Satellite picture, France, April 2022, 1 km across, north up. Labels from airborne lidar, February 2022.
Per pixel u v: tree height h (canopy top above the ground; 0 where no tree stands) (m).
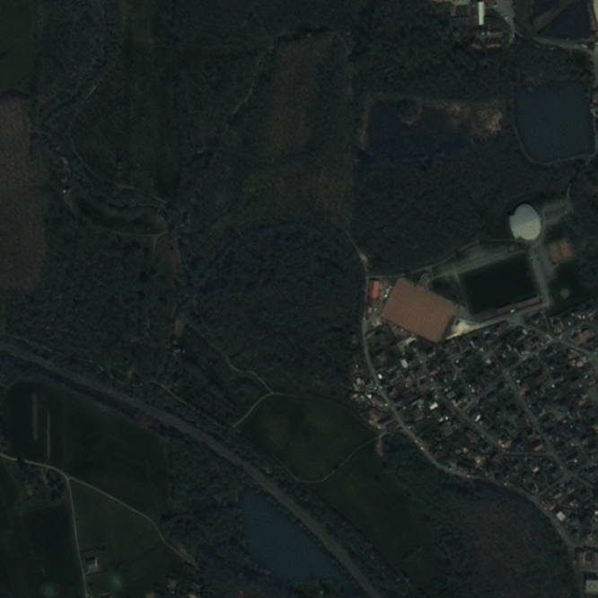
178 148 0
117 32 14
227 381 18
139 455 0
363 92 19
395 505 0
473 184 27
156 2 0
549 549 25
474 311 0
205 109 0
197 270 23
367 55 22
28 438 0
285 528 0
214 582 25
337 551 0
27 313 20
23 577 0
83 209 0
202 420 18
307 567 0
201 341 24
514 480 0
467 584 23
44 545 0
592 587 0
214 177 26
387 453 19
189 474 24
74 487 0
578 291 0
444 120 0
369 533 0
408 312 0
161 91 0
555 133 0
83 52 21
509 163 25
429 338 0
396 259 24
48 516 0
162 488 0
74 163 16
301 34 0
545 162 0
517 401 0
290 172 0
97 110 0
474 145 22
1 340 18
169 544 0
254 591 25
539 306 0
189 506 6
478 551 25
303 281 20
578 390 0
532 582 27
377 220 20
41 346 21
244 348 27
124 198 16
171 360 15
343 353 16
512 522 22
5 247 0
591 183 22
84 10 22
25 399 0
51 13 0
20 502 0
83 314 15
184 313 24
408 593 13
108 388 19
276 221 24
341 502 0
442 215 21
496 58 23
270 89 24
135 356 17
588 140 0
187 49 0
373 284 0
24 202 0
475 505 22
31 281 0
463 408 0
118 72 0
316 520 14
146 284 25
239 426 0
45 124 7
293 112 0
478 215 22
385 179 25
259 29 20
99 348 25
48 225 21
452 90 24
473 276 0
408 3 22
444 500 25
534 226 0
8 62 0
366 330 0
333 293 25
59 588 0
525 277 0
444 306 0
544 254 0
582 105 0
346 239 17
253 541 0
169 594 0
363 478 0
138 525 0
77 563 0
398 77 23
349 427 0
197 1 18
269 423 0
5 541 0
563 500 0
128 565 0
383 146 0
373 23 20
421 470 18
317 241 19
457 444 8
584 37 0
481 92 25
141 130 0
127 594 0
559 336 0
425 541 0
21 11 0
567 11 0
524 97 0
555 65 26
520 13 20
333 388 20
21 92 0
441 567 0
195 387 9
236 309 20
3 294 19
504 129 21
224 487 23
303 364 17
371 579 19
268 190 0
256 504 0
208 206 25
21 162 0
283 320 12
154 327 14
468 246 0
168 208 9
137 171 24
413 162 22
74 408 0
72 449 0
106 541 0
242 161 0
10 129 0
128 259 20
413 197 18
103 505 0
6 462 0
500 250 0
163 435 13
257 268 21
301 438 0
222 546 27
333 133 0
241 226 21
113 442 0
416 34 22
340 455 0
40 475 15
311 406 0
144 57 0
